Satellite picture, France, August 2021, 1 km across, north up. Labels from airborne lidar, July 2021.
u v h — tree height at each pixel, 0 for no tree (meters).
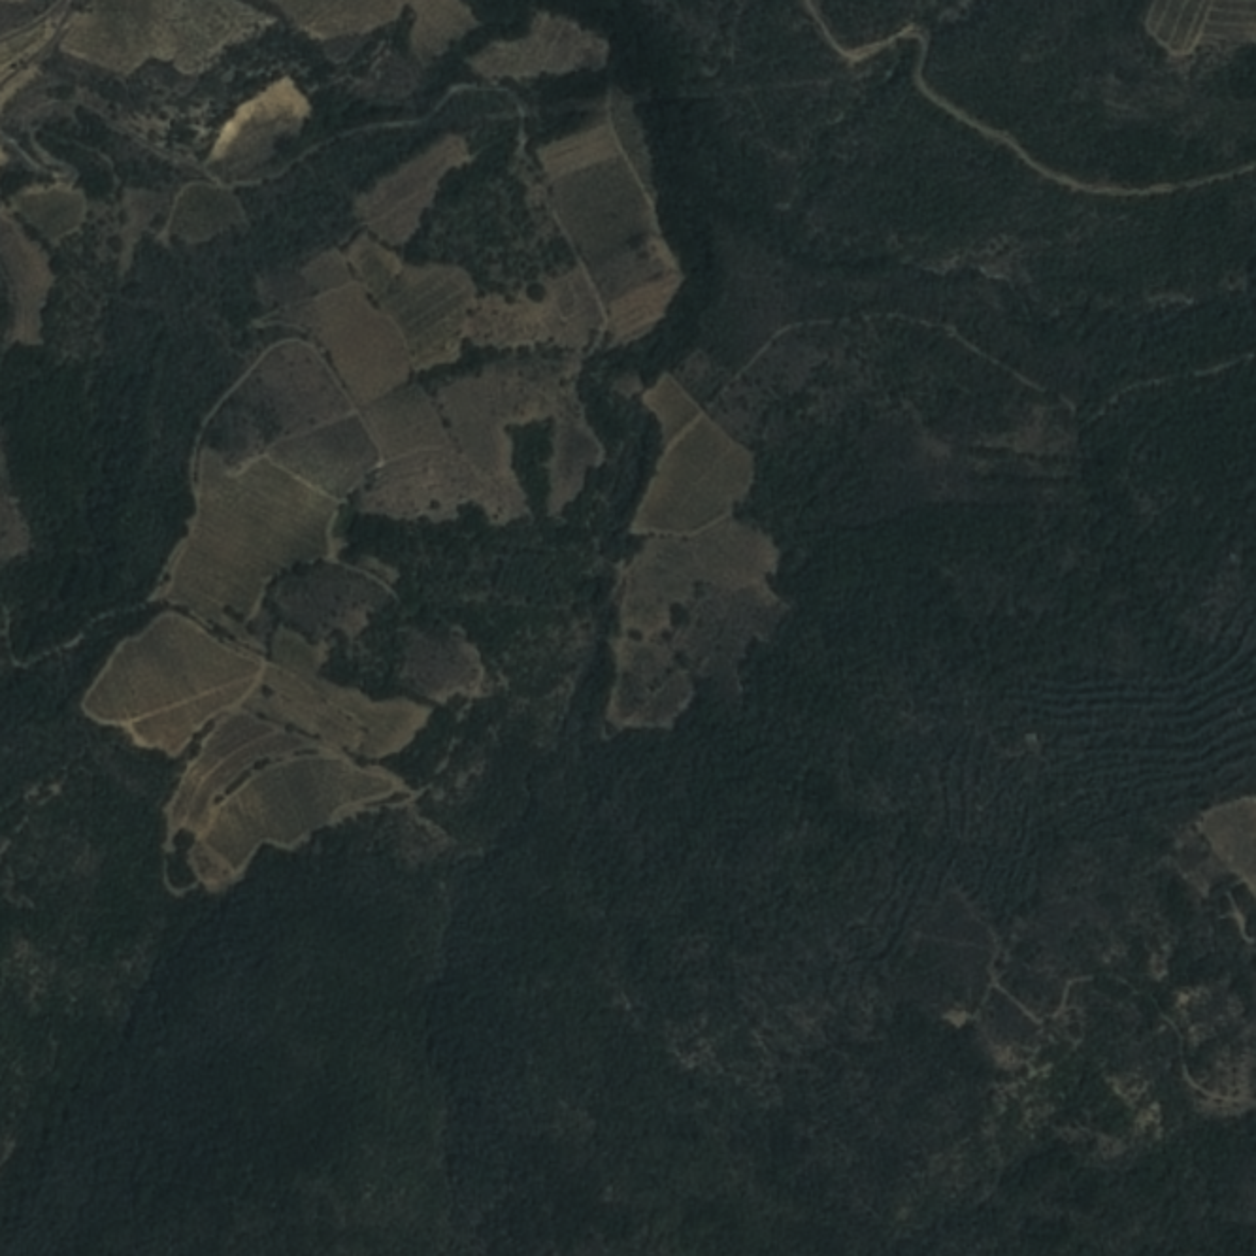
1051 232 6
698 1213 7
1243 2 0
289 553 0
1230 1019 0
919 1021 7
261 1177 6
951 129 7
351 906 8
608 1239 6
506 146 8
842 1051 8
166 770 6
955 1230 7
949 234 8
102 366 7
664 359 16
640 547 6
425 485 0
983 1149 7
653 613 0
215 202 0
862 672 7
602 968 7
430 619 8
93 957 11
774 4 8
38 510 8
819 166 7
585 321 0
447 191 8
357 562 6
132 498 10
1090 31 6
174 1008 9
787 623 6
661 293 0
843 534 10
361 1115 6
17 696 7
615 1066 9
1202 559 8
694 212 15
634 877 6
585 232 0
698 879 6
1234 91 7
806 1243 6
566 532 10
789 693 9
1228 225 9
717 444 0
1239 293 11
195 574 0
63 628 8
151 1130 9
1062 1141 8
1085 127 7
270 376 0
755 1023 6
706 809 8
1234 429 10
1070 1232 10
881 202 6
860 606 6
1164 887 6
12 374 6
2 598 7
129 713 0
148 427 7
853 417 6
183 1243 5
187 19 0
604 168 0
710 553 0
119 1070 9
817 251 14
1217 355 8
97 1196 8
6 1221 13
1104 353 7
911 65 7
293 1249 5
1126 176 10
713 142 6
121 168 6
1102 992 6
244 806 0
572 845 12
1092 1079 7
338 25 0
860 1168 6
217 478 0
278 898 7
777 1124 8
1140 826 7
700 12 6
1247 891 7
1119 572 13
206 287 6
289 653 0
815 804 10
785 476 7
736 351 6
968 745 7
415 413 0
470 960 7
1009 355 6
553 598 10
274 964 7
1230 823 0
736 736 8
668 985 9
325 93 6
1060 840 8
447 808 5
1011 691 9
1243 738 7
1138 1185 10
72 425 12
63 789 5
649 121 13
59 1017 10
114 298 7
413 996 9
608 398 10
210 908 11
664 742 6
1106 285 8
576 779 7
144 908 6
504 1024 7
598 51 0
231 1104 9
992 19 6
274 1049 5
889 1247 11
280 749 0
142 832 9
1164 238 6
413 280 0
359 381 0
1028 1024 0
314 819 0
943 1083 6
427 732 8
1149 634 6
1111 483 7
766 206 7
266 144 0
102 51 0
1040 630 6
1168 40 0
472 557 7
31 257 0
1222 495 9
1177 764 9
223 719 0
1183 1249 7
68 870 6
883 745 7
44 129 5
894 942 7
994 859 8
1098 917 0
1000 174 7
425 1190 6
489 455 0
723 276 7
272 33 6
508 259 6
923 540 7
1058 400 9
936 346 6
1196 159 13
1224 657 7
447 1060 7
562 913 6
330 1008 8
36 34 0
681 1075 8
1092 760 7
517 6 12
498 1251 7
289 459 0
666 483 0
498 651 8
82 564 17
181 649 0
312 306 0
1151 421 7
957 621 11
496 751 9
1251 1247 9
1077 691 7
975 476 8
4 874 7
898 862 6
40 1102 12
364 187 6
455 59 9
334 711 0
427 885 6
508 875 6
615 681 7
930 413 6
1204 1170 5
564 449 0
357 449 0
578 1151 6
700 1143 7
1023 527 9
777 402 6
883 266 8
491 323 0
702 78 7
